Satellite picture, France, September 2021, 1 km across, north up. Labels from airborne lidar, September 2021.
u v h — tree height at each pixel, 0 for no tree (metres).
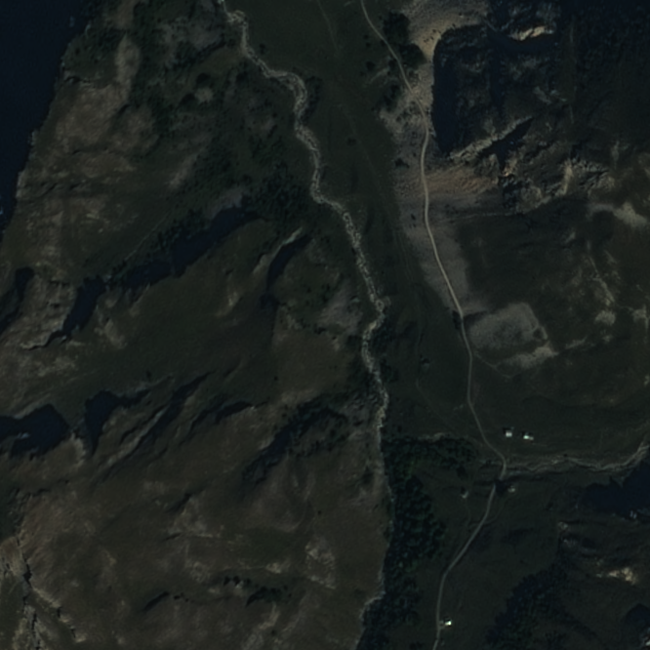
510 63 0
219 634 0
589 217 0
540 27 0
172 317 0
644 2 13
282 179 9
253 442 0
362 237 0
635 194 0
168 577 0
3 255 0
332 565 0
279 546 0
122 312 0
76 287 0
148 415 0
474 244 0
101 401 0
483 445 0
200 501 0
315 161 0
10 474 0
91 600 0
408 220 0
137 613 0
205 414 0
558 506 0
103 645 0
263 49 10
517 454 0
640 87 0
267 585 0
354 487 0
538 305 0
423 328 0
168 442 0
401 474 12
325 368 0
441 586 0
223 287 0
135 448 0
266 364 0
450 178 0
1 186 0
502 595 0
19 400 0
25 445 0
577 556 0
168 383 0
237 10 0
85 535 0
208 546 0
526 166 0
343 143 0
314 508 0
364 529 0
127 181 0
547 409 0
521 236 0
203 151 0
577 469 0
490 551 0
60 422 0
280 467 0
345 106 0
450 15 0
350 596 0
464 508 0
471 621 0
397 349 0
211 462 0
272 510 0
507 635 9
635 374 0
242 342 0
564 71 0
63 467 0
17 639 0
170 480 0
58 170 0
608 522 0
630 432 0
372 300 0
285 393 0
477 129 0
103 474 0
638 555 0
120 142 0
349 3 0
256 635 0
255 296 0
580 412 0
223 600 0
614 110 0
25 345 0
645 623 0
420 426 0
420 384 0
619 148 0
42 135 0
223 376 0
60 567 0
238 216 10
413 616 9
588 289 0
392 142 0
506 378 0
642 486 0
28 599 0
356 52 0
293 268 0
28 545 0
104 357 0
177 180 0
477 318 0
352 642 0
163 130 7
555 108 0
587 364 0
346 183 0
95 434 0
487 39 0
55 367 0
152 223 0
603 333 0
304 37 0
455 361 0
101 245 0
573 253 0
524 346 0
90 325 0
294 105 0
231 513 0
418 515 19
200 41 0
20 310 0
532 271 0
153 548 0
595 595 0
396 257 0
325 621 0
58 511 0
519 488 0
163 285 0
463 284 0
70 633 0
